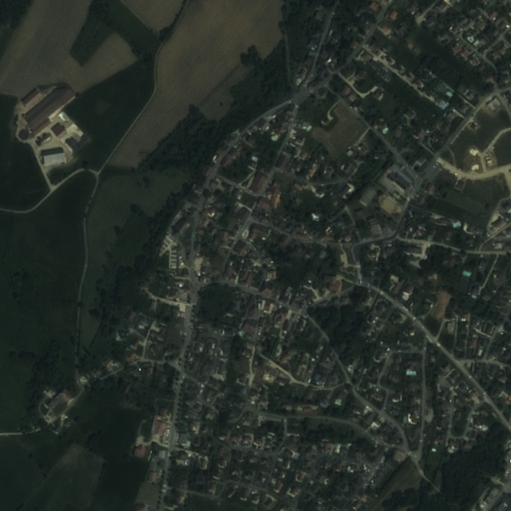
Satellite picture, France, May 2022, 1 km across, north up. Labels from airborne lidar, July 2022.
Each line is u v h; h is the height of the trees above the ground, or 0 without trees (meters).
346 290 0
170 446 0
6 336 0
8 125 0
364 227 14
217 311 0
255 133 7
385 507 16
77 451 0
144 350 0
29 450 0
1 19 21
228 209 13
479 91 0
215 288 6
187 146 6
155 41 0
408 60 0
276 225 6
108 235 0
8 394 0
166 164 13
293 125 0
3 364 0
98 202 0
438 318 0
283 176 0
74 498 0
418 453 0
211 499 0
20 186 0
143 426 0
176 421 6
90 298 0
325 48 6
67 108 0
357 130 0
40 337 0
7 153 0
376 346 15
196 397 0
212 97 0
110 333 9
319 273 8
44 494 0
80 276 0
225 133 6
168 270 0
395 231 0
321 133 0
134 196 0
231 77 0
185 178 0
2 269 0
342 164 0
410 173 0
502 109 0
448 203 0
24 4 20
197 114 21
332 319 21
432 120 0
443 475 10
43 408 0
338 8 8
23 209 0
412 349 0
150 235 7
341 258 0
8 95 0
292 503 0
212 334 0
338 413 13
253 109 0
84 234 0
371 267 8
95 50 0
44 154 0
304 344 0
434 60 9
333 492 7
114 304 18
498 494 0
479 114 0
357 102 10
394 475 6
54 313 0
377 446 0
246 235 0
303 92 0
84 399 0
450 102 7
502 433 20
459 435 0
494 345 7
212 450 11
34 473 0
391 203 0
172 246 0
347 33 8
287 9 14
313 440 10
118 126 0
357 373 17
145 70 0
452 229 6
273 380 0
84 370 9
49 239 0
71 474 0
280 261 22
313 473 0
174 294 0
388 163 8
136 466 0
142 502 0
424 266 19
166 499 12
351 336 16
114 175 0
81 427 0
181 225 0
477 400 0
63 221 0
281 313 0
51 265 0
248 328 0
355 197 11
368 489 10
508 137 0
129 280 18
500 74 11
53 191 0
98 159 0
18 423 0
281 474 0
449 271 7
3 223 0
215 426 7
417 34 0
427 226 6
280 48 7
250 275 0
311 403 13
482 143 0
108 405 0
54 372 7
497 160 0
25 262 0
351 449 9
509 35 7
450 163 0
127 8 0
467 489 9
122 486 0
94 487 0
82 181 0
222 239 0
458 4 10
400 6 0
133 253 0
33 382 7
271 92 12
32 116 0
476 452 15
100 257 0
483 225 0
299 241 0
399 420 9
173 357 8
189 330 0
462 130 0
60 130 0
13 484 0
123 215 0
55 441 0
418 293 7
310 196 0
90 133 0
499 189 0
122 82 0
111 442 0
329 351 0
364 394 6
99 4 11
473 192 0
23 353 11
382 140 6
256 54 8
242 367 0
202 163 12
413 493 17
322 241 0
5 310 0
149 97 0
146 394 8
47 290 0
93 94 0
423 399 0
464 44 0
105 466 8
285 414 17
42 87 0
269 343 17
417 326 0
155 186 0
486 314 8
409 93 5
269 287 0
